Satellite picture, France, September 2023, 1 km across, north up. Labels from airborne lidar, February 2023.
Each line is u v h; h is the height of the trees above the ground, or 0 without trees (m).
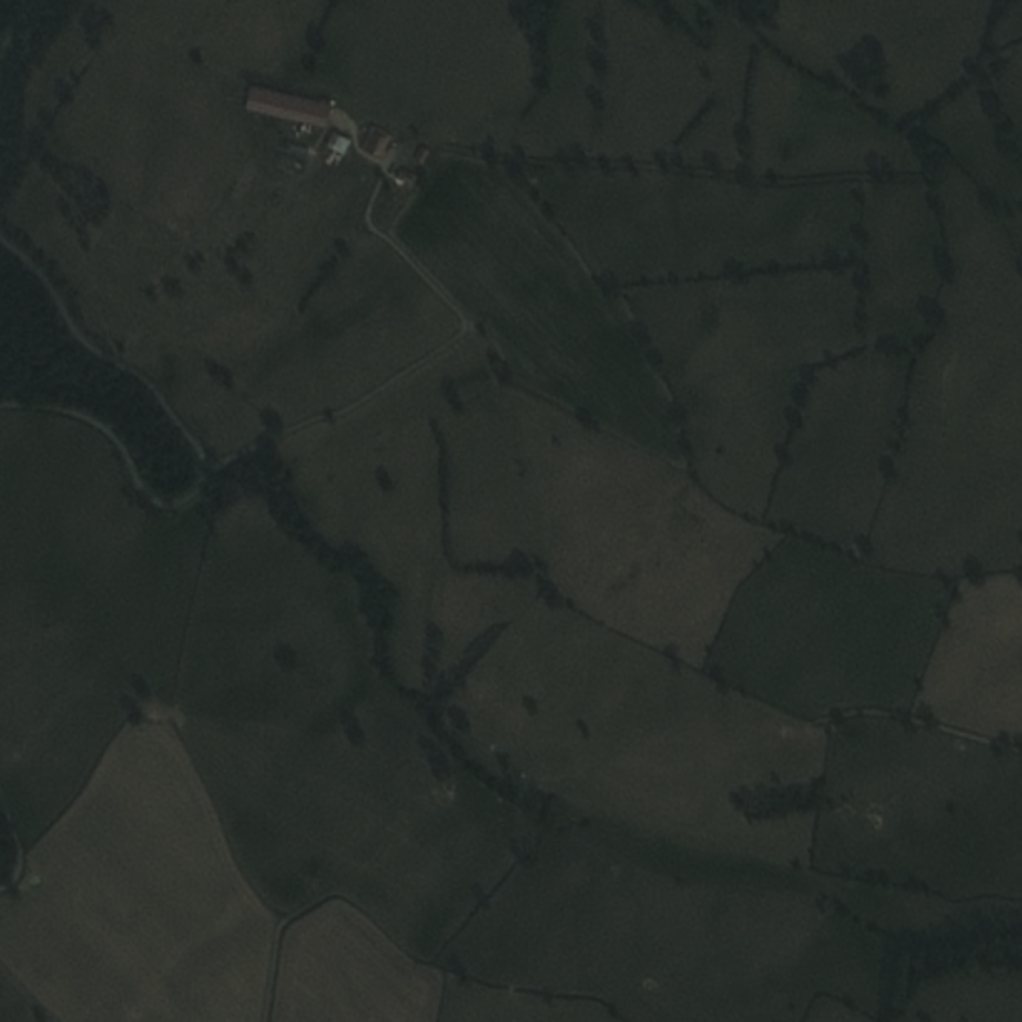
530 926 0
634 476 0
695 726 0
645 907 0
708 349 0
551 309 0
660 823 0
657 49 0
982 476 0
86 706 0
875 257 0
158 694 0
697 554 0
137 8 0
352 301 0
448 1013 0
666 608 0
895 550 0
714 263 0
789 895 0
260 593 0
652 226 0
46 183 0
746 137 17
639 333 17
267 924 0
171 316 0
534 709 11
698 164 0
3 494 0
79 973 0
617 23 0
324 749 0
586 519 0
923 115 7
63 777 0
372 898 0
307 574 0
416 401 0
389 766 0
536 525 0
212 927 0
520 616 0
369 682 0
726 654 0
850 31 0
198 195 0
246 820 0
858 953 0
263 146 0
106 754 0
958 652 0
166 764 0
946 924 0
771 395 0
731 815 0
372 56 0
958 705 0
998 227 0
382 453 0
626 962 0
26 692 0
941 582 13
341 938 0
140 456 19
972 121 0
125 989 0
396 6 0
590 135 0
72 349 18
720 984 0
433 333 0
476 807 0
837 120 0
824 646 0
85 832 0
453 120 0
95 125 0
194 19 0
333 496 0
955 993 0
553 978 0
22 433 0
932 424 0
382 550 0
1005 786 0
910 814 0
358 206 0
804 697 0
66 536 0
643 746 0
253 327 0
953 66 0
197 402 0
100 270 0
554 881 0
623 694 0
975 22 0
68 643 0
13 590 0
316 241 0
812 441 0
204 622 0
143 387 10
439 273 0
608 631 0
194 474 18
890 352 16
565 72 0
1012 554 0
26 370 10
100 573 0
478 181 0
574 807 0
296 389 0
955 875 0
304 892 0
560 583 0
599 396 0
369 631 0
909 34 0
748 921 0
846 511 0
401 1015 0
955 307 0
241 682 0
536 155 0
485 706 0
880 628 0
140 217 0
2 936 0
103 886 0
